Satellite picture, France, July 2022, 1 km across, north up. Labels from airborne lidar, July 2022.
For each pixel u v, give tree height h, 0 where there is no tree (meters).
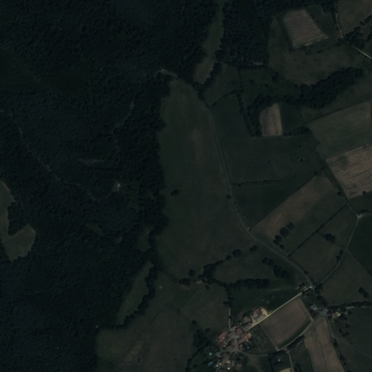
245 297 0
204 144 0
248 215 0
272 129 0
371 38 15
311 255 0
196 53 17
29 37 16
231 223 0
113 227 21
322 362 0
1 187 0
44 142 18
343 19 0
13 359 26
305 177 0
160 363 0
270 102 17
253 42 20
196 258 0
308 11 0
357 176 0
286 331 0
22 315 27
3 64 6
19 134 22
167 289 0
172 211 0
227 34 8
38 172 11
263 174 0
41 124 17
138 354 0
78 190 23
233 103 0
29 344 27
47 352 23
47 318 22
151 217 19
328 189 0
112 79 19
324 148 0
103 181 17
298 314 0
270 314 0
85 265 20
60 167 15
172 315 0
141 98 29
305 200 0
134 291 0
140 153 26
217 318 0
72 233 26
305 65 0
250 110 17
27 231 0
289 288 0
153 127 15
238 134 0
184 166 0
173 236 0
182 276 0
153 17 14
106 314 18
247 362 0
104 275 12
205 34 17
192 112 0
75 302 18
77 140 26
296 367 10
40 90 5
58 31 20
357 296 0
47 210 26
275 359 6
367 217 0
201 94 17
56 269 22
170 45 18
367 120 0
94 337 14
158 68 15
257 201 0
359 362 0
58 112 24
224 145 0
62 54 12
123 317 0
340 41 10
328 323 0
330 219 7
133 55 22
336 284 0
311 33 0
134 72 22
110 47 20
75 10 20
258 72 0
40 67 9
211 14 12
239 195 0
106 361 0
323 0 20
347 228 0
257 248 12
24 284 16
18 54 15
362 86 0
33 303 24
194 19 23
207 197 0
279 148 0
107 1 26
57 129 21
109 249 27
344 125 0
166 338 0
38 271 16
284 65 0
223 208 0
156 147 18
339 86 19
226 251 0
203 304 0
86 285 21
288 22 0
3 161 18
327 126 0
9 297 28
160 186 26
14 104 22
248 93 0
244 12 6
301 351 0
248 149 0
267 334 0
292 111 0
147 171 23
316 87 21
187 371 13
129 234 14
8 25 10
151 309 0
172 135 0
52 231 25
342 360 11
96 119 18
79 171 15
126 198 19
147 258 18
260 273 0
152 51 20
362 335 0
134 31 18
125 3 22
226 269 0
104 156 23
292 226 23
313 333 0
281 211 0
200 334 6
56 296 19
